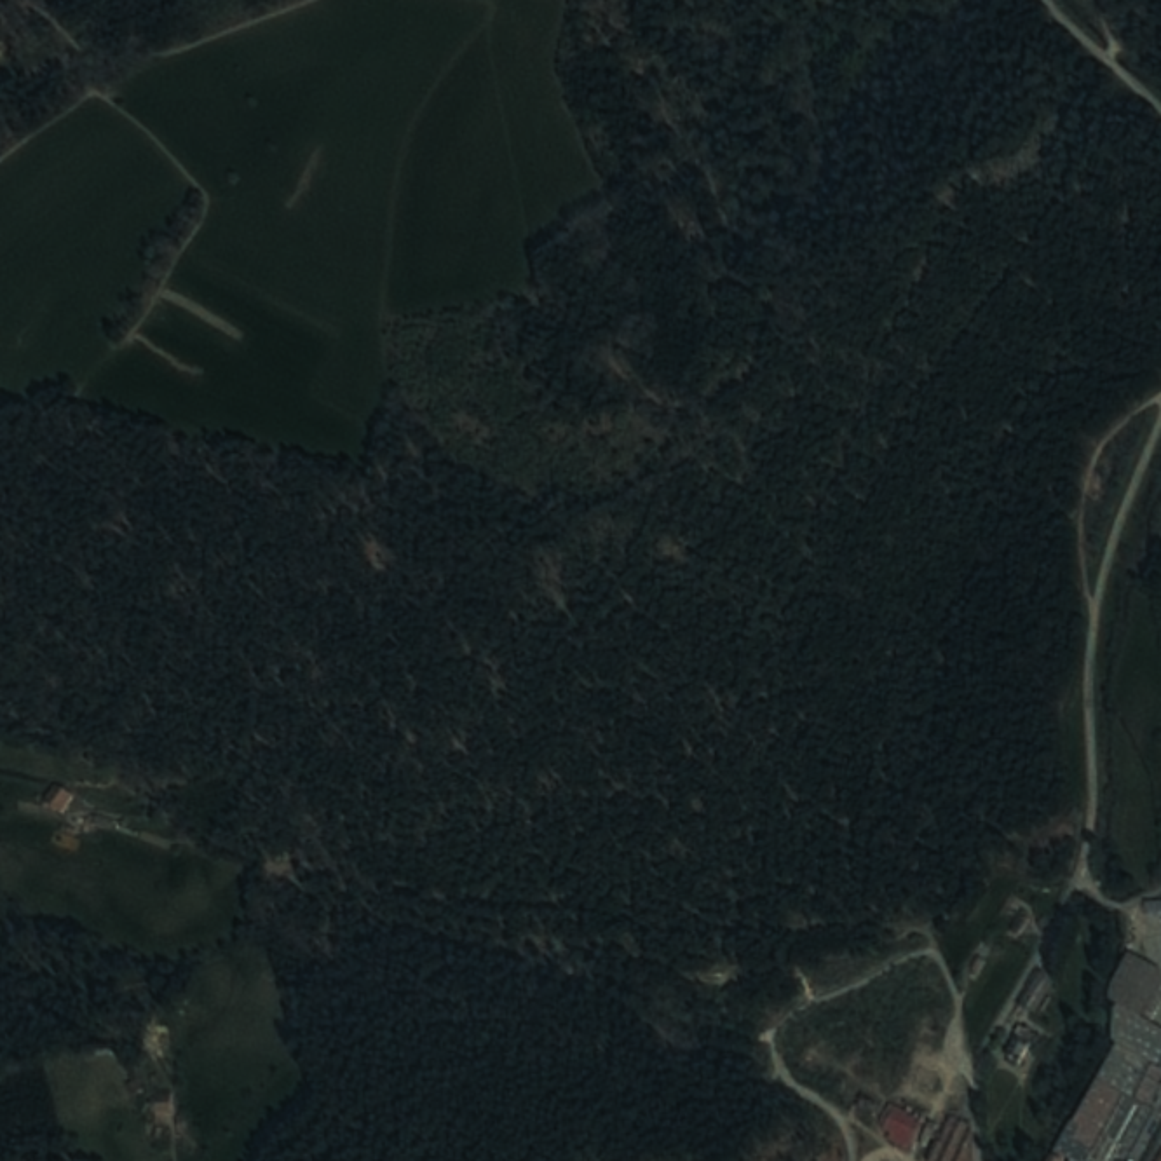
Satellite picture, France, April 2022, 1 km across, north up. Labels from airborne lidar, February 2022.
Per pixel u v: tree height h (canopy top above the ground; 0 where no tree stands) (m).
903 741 26
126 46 22
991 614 27
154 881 0
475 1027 25
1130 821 0
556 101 0
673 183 31
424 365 11
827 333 29
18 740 34
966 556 21
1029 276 24
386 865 22
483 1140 24
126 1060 13
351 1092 22
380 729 25
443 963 26
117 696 12
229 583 24
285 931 24
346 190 0
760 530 26
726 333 23
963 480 31
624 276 23
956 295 21
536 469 15
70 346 0
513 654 26
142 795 18
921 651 29
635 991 21
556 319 15
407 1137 25
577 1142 26
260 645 28
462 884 21
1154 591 8
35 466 24
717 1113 25
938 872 27
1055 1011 0
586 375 20
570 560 23
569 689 25
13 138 20
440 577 28
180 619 25
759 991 15
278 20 0
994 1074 20
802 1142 27
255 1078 0
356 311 0
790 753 28
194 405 0
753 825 21
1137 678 0
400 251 0
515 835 23
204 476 25
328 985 27
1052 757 31
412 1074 24
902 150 27
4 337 0
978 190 16
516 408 9
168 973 21
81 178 0
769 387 24
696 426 25
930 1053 0
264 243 0
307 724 28
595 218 26
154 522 25
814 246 31
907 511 20
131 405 0
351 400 0
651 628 26
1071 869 10
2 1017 30
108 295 0
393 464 27
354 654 24
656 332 27
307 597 24
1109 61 0
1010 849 29
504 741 21
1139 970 0
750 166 32
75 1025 16
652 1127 30
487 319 20
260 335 0
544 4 0
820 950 15
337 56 0
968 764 27
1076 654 20
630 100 17
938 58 22
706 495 26
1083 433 20
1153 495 11
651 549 25
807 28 27
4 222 0
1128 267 18
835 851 27
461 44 0
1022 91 27
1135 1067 0
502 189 0
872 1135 0
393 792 22
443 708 23
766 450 27
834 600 23
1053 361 24
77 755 24
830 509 26
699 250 31
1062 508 22
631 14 13
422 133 0
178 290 0
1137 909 0
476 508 28
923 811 22
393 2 0
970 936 0
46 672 14
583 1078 24
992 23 30
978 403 20
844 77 25
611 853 25
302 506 27
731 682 25
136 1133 0
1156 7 15
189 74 0
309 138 0
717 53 25
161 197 0
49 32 20
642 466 13
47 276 0
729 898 23
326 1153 29
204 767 25
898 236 26
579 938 34
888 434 28
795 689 25
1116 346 26
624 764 23
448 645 29
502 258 0
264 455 8
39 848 0
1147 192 18
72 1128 0
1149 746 0
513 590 21
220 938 0
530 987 23
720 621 24
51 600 22
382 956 26
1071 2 15
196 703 25
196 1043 0
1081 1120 0
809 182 33
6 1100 11
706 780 28
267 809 26
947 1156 0
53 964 28
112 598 20
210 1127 0
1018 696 20
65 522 26
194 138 0
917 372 23
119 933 0
